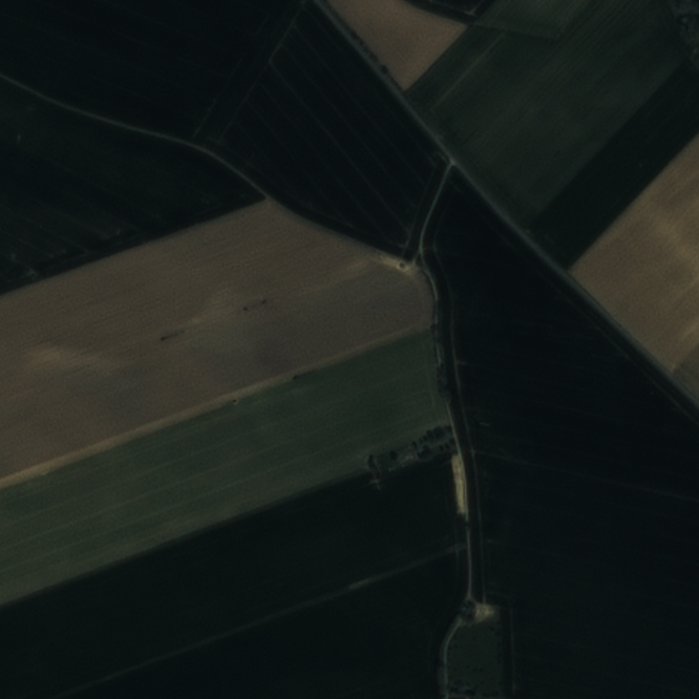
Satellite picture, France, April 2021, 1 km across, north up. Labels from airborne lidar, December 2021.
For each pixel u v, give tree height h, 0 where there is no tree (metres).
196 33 0
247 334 0
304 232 0
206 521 0
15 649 0
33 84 0
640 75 0
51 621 0
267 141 0
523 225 0
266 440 0
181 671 0
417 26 0
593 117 0
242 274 0
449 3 0
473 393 0
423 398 0
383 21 0
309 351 0
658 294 0
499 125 0
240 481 0
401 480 0
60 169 0
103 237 0
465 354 0
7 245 0
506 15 0
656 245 0
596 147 0
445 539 0
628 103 0
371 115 0
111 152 0
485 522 0
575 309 0
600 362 0
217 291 0
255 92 0
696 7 19
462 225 0
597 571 0
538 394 0
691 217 0
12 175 0
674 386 0
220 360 0
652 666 0
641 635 0
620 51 0
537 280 0
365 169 0
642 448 0
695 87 0
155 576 0
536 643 0
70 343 0
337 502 0
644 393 0
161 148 0
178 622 0
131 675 0
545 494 0
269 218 0
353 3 0
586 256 0
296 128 0
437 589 0
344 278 0
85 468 0
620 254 0
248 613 0
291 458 0
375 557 0
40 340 0
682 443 0
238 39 0
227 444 0
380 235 0
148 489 0
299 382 0
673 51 0
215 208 0
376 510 0
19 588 0
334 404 0
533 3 0
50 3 0
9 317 0
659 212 0
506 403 0
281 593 0
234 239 0
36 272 0
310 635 0
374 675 0
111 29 0
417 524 0
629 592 0
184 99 0
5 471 0
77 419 0
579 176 0
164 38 0
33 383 0
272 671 0
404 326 0
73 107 0
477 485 0
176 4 0
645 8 0
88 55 0
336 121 0
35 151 0
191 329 0
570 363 0
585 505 0
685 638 0
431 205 0
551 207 0
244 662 0
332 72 0
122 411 0
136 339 0
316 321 0
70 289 0
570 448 0
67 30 0
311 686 0
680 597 0
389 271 0
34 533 0
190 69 0
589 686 0
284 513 0
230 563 0
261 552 0
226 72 0
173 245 0
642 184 0
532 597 0
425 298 0
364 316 0
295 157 0
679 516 0
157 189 0
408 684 0
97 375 0
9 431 0
